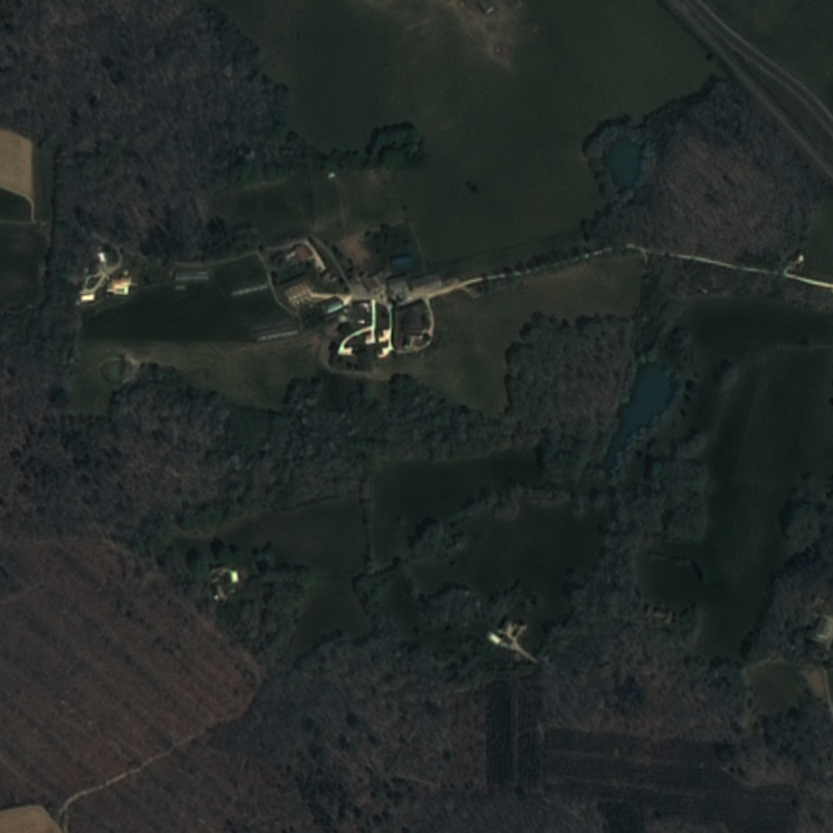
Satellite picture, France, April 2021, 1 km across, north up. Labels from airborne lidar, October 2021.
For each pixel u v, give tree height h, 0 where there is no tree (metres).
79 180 13
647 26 0
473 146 0
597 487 0
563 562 0
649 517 22
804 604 21
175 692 0
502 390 0
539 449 0
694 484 24
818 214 11
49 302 14
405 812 14
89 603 0
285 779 7
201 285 0
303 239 0
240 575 0
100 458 11
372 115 0
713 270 6
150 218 13
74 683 0
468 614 12
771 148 20
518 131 0
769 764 14
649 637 19
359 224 0
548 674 20
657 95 0
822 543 12
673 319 13
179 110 11
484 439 29
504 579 0
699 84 0
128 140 16
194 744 11
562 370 22
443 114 0
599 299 0
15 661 0
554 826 16
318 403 13
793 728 13
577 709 15
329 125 0
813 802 18
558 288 0
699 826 14
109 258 17
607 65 0
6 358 17
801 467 0
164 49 16
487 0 7
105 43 17
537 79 0
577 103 0
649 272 18
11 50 13
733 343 0
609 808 8
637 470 0
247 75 17
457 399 0
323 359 0
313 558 0
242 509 20
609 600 23
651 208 7
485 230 0
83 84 12
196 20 16
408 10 0
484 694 7
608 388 23
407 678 6
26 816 0
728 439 0
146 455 10
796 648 22
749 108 13
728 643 0
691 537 19
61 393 13
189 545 0
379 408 16
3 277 0
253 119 16
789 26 0
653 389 0
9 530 12
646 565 0
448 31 0
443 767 14
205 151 14
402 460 15
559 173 0
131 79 15
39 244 0
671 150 18
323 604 0
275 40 0
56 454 10
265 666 23
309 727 15
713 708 12
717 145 22
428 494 0
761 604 0
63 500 15
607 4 0
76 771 0
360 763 14
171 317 0
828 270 0
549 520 0
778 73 0
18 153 0
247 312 0
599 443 11
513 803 18
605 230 15
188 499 18
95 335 0
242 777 6
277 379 0
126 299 0
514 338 0
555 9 0
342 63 0
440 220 0
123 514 19
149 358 0
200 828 0
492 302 0
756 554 0
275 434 23
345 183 0
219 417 19
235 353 0
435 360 0
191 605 8
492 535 0
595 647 11
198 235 21
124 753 7
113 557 0
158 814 0
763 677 0
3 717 0
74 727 0
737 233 15
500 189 0
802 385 0
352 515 0
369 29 0
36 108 10
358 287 0
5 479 9
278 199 0
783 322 0
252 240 11
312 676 9
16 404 9
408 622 0
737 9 0
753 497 0
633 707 30
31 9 8
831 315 0
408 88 0
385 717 12
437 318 0
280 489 16
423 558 12
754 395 0
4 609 0
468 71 0
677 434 0
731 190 19
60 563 0
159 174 18
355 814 9
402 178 0
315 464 19
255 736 9
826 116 0
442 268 0
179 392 9
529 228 0
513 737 5
